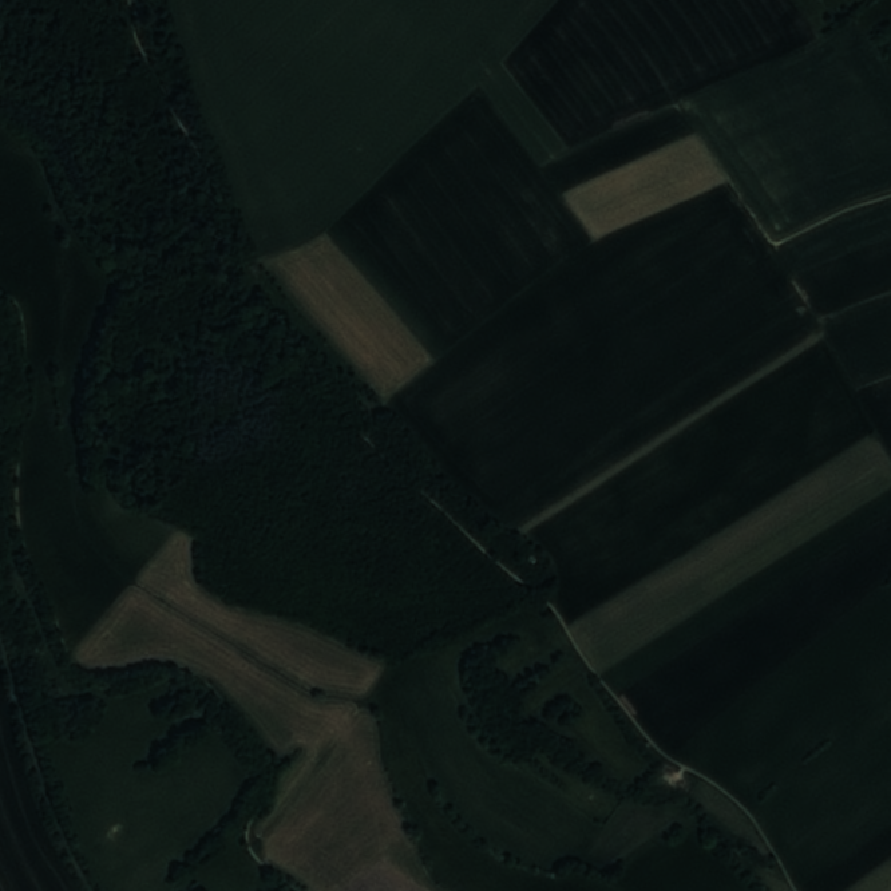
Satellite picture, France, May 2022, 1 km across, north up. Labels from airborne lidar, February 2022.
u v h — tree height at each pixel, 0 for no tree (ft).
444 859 0
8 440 54
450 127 0
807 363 0
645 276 0
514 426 0
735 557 0
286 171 0
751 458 0
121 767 0
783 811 0
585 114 0
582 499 0
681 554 0
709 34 0
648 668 0
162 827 0
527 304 0
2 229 0
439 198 0
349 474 42
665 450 0
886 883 0
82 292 0
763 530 0
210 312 59
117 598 0
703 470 0
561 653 26
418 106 0
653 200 0
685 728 0
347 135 0
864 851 0
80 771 0
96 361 81
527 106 0
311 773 0
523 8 0
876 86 0
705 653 0
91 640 0
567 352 0
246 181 0
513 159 0
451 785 0
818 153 0
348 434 47
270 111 0
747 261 0
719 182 0
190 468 35
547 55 0
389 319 0
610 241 0
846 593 0
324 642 0
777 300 0
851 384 0
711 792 0
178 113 54
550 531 0
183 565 0
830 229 0
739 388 0
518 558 60
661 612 0
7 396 53
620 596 0
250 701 0
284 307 0
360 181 0
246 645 0
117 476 104
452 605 30
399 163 0
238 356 67
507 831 0
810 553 0
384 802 0
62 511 0
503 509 0
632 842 0
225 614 0
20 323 33
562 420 0
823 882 0
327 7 0
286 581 30
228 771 0
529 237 0
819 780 0
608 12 0
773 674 0
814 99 0
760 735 0
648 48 0
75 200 80
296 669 0
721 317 0
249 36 0
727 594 0
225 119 0
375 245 0
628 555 0
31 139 62
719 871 0
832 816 0
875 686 0
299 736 0
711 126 0
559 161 0
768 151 0
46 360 0
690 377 0
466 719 33
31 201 0
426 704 0
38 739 62
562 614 0
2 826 0
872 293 0
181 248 59
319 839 0
